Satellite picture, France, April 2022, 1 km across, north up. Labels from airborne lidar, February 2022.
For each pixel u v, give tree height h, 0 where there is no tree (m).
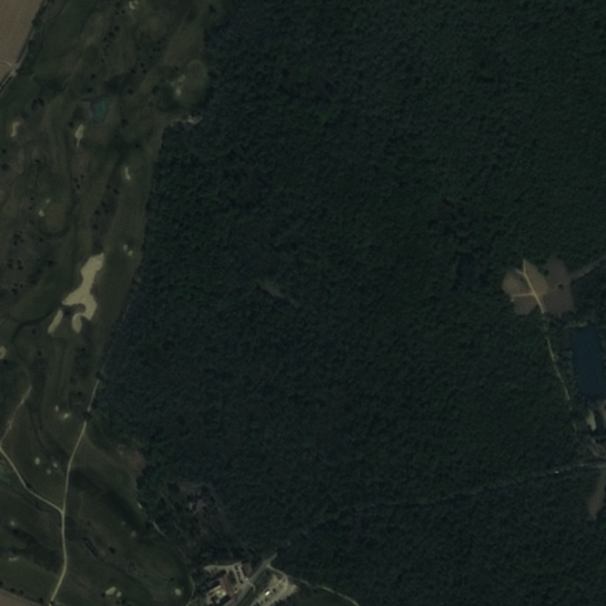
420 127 14
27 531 0
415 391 17
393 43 13
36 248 0
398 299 23
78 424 0
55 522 0
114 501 0
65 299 0
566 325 16
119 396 17
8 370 0
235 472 21
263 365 26
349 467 23
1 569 0
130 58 0
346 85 24
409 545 23
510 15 18
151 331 22
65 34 0
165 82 9
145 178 0
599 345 0
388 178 22
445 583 11
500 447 15
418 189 20
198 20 0
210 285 20
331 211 18
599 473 11
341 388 22
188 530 18
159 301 20
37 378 0
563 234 9
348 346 19
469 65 16
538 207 15
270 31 23
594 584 20
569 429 11
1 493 0
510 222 14
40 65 0
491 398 16
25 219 0
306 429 24
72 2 0
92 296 0
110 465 0
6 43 0
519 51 15
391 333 20
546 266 9
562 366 11
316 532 21
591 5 14
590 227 11
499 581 18
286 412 24
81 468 0
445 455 15
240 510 20
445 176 15
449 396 15
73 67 0
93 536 0
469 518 18
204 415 23
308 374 22
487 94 16
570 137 14
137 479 0
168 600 0
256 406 25
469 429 13
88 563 0
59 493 0
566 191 9
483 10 17
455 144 14
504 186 19
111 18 0
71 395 0
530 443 14
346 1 16
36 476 0
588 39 14
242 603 0
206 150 22
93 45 0
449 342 20
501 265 13
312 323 21
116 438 0
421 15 8
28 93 0
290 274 21
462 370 17
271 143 20
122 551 0
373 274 19
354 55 16
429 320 16
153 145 0
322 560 19
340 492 20
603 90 17
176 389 26
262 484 21
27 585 0
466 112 12
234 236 15
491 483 11
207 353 24
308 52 23
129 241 0
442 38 12
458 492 14
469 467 11
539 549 20
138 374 26
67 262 0
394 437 18
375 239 17
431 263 17
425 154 19
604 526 17
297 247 22
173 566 0
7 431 0
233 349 21
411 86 20
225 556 22
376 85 16
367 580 21
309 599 11
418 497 16
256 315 21
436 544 21
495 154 15
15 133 0
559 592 17
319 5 19
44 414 0
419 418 15
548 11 17
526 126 14
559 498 15
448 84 16
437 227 18
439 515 17
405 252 18
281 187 20
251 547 11
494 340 17
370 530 19
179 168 22
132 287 0
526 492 17
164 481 26
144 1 0
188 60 0
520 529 19
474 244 8
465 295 16
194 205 25
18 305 0
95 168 0
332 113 15
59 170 0
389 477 24
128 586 0
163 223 19
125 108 0
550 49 15
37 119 0
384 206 19
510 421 13
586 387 0
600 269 14
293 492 20
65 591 0
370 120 17
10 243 0
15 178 0
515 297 0
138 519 0
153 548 0
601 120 14
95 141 0
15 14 0
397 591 22
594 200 10
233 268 25
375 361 20
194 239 20
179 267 24
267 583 0
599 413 14
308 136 17
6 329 0
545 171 12
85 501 0
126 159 0
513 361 15
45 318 0
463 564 18
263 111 22
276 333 22
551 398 12
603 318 17
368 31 13
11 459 0
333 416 18
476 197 14
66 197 0
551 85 17
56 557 0
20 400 0
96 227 7
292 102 22
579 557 15
